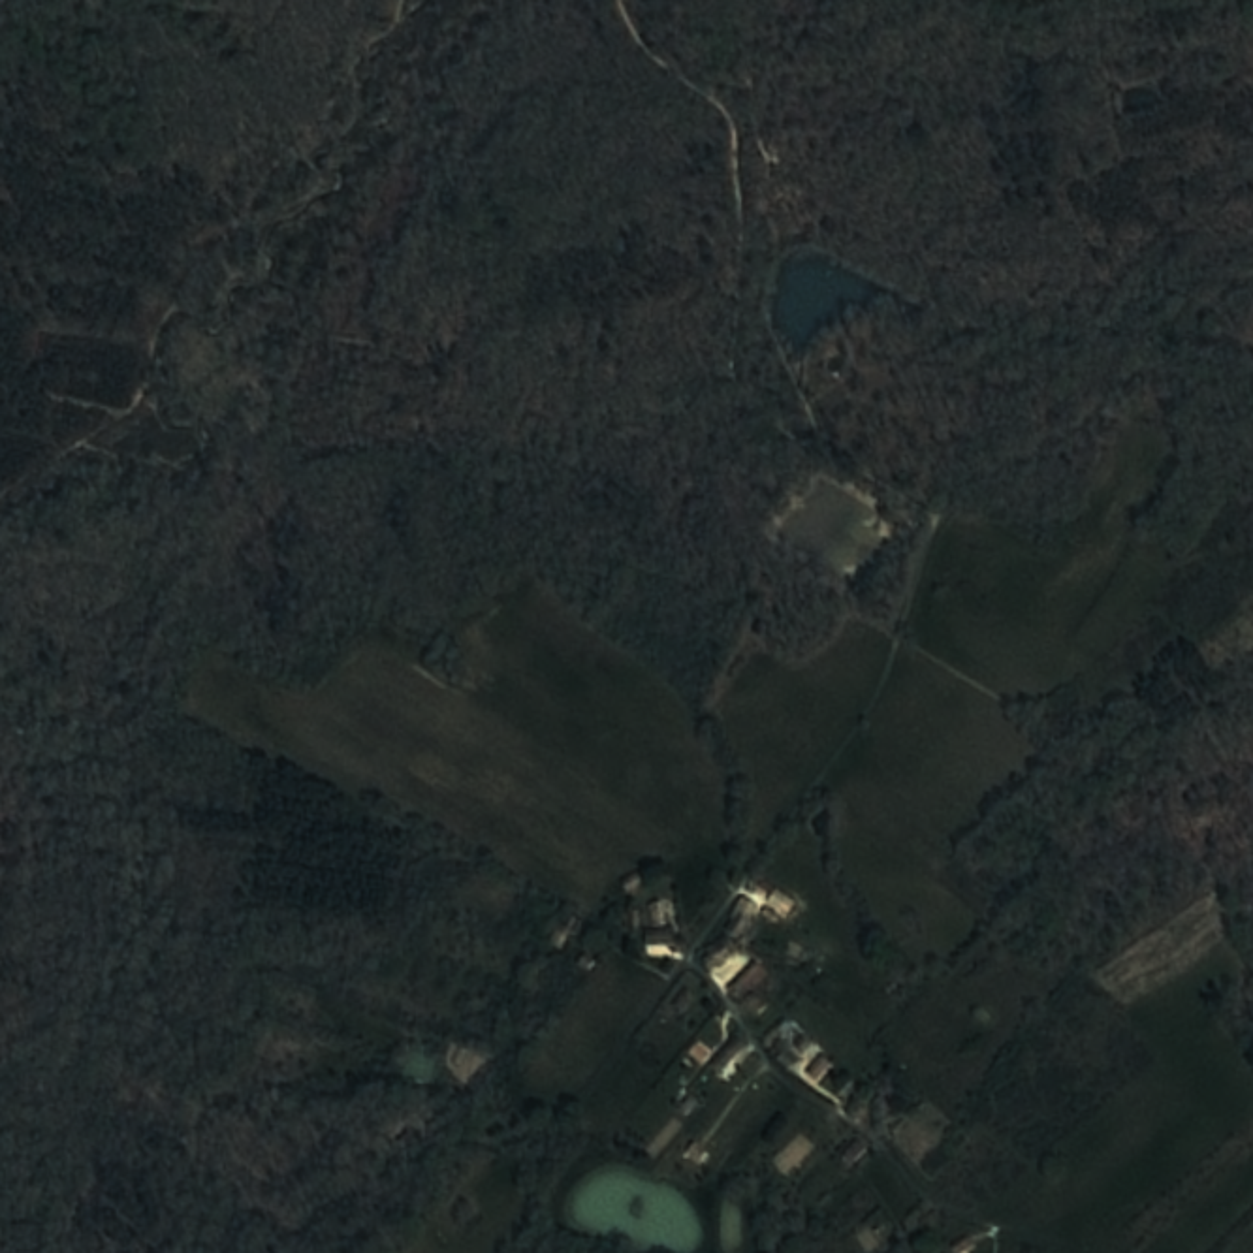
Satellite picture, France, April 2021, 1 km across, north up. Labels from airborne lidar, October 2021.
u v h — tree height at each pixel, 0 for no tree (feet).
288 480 53
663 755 0
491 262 69
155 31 68
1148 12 43
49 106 67
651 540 53
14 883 66
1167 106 41
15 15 50
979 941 34
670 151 47
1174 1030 0
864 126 58
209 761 69
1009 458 58
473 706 0
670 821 0
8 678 35
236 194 54
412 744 0
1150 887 45
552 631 0
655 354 59
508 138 60
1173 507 63
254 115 70
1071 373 71
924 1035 0
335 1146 57
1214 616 56
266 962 60
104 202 46
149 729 59
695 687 27
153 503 52
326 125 66
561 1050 0
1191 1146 0
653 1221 0
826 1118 0
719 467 50
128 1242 73
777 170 45
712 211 42
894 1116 32
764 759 0
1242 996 44
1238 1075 0
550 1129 52
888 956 72
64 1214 52
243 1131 67
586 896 0
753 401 69
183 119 38
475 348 49
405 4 73
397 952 26
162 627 64
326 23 65
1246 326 33
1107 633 0
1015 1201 0
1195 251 53
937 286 62
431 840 60
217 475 36
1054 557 54
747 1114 0
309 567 47
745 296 71
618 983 0
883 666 0
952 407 54
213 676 0
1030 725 61
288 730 0
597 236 52
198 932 40
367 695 0
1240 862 38
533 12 46
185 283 47
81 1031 72
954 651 0
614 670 0
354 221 53
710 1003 24
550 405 50
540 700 0
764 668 0
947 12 55
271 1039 26
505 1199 0
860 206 45
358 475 59
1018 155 39
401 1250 62
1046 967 30
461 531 83
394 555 62
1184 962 0
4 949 51
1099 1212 0
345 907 63
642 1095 0
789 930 0
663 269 38
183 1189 58
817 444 46
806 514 0
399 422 63
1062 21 53
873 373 59
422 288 35
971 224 36
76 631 62
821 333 47
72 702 65
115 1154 68
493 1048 42
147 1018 57
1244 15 61
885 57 57
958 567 0
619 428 62
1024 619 0
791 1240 39
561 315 47
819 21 44
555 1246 54
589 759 0
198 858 38
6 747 55
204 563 67
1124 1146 0
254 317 61
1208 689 54
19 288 60
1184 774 51
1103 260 54
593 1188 0
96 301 69
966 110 40
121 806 47
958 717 0
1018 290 32
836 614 74
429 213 36
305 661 21
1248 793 35
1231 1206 0
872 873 0
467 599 68
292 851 51
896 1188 0
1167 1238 0
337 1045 25
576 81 46
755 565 79
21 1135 52
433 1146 52
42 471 25
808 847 0
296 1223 75
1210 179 33
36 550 49
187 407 66
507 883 57
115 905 49
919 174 46
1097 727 51
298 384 37
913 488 53
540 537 60
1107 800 50
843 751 0
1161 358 62
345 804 51
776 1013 0
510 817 0
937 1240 31
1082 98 76
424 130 34
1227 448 74
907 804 0
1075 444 62
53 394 72
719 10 48
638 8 40
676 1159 0
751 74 51
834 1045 0
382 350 51
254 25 40
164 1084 56
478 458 90
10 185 69
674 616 34
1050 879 56
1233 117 36
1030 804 66
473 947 27
